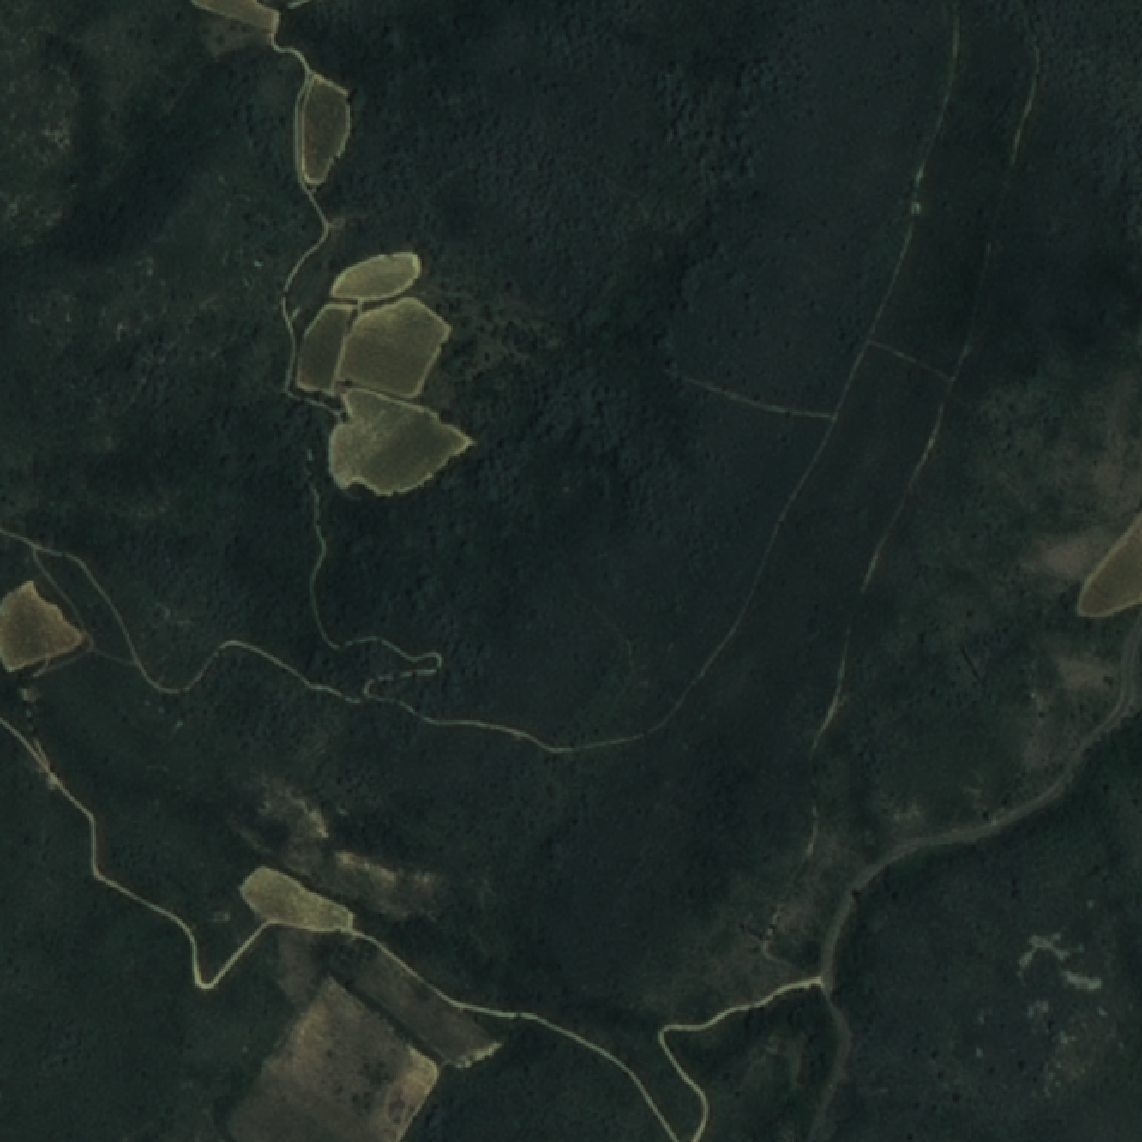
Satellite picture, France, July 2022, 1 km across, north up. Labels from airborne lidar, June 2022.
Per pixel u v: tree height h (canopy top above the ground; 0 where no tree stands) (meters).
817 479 0
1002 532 6
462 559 8
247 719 7
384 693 9
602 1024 7
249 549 7
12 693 6
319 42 7
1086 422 0
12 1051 0
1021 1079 0
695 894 9
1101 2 7
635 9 10
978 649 7
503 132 11
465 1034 0
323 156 0
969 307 7
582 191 8
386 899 0
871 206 0
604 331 7
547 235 7
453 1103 7
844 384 0
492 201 8
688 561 7
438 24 10
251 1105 0
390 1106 0
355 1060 0
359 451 0
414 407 0
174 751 0
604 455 8
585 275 6
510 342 9
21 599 0
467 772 0
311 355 0
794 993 7
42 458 6
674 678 0
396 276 0
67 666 0
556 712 0
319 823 0
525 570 7
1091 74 8
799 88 6
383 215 8
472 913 9
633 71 10
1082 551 0
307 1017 0
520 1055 6
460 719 0
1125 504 0
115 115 8
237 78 12
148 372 8
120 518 7
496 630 8
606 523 6
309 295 0
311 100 0
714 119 9
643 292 8
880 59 0
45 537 9
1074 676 0
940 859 10
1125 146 9
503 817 9
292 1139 0
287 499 6
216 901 6
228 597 8
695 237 10
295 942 0
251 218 11
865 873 0
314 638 6
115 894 7
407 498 6
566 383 11
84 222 15
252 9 0
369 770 7
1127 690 0
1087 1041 0
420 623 6
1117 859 6
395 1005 0
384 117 7
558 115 6
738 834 8
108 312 0
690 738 6
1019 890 8
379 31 12
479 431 11
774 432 0
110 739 0
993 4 10
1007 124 13
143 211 6
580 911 0
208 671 7
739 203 7
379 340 0
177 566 8
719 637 0
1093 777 9
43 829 0
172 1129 7
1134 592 0
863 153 0
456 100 10
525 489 9
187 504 7
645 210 7
